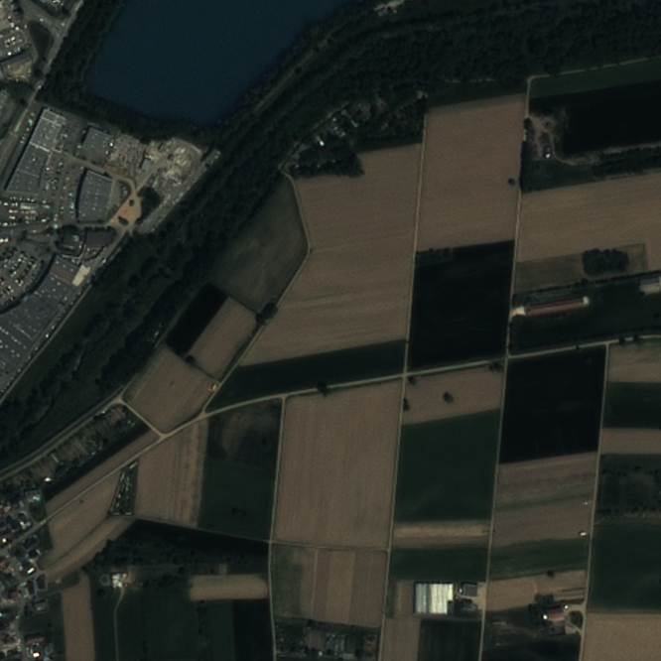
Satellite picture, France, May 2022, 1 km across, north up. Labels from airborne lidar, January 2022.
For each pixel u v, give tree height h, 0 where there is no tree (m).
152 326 19
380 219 0
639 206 0
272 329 0
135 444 0
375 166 0
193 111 0
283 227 0
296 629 0
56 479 7
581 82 0
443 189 0
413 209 0
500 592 0
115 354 0
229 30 0
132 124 18
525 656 0
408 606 0
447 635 0
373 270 0
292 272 0
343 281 0
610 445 0
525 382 0
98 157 0
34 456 0
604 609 0
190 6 0
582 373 0
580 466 0
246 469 0
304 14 0
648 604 0
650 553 0
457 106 0
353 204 0
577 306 0
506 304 0
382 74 14
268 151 24
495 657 0
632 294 0
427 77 19
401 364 0
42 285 0
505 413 0
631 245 0
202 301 0
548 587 0
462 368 0
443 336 0
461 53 19
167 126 22
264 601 0
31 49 0
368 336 0
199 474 0
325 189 0
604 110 0
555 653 0
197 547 0
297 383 0
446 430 0
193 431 0
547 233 0
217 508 0
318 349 0
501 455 0
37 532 0
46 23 0
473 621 0
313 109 16
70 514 0
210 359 0
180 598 0
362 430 0
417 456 0
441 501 0
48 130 0
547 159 0
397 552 0
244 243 0
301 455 0
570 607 0
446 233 0
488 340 0
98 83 0
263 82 18
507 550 0
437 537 0
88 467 0
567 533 0
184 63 0
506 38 23
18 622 0
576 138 0
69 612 0
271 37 0
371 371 0
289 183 0
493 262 0
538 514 0
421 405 0
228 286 0
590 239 0
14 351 0
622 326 0
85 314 0
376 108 8
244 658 0
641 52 21
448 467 0
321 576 0
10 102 0
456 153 0
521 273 0
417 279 0
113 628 0
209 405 0
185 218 11
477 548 0
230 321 0
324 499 0
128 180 0
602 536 0
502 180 0
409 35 23
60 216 0
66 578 0
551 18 27
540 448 0
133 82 0
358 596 0
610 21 20
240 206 17
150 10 0
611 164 6
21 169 0
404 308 0
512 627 0
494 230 0
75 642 0
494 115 0
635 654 0
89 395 0
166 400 0
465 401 0
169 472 0
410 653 0
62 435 0
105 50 0
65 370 15
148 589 7
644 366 0
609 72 0
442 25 14
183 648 0
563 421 0
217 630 0
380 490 0
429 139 0
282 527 0
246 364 0
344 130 17
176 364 0
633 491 0
